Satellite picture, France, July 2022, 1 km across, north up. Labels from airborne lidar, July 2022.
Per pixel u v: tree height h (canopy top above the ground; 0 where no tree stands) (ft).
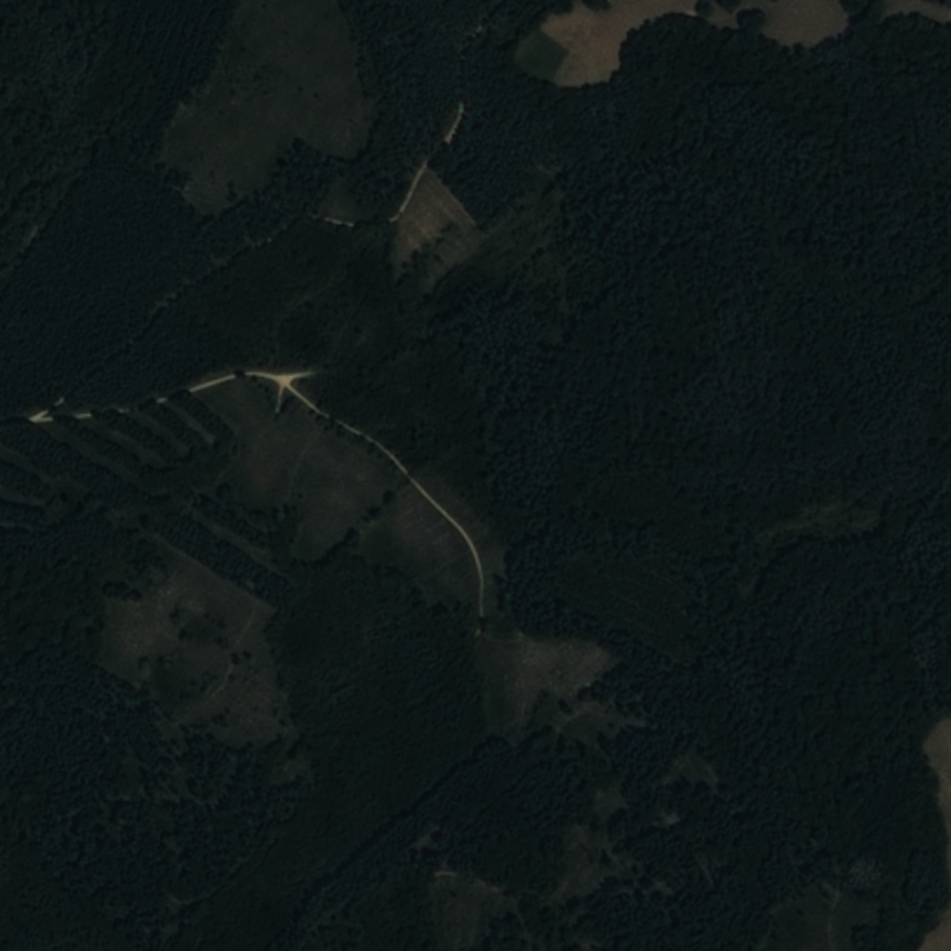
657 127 39
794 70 38
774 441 63
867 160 57
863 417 70
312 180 80
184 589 0
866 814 53
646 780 84
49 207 47
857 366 86
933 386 71
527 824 74
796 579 58
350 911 66
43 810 77
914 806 58
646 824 55
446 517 0
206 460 60
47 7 53
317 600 26
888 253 79
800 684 73
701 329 60
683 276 58
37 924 38
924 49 64
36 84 36
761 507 61
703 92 55
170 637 0
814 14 0
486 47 59
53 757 58
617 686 61
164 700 0
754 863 55
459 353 50
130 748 69
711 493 62
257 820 70
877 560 60
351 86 0
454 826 76
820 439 58
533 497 65
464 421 26
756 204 61
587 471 61
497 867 65
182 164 0
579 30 0
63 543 64
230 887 30
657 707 77
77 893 57
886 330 76
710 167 66
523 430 49
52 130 60
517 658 0
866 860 88
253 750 42
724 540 22
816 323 54
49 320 51
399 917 67
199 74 58
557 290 27
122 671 0
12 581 73
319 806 24
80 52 71
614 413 63
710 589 49
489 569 0
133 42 59
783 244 55
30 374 50
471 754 38
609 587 20
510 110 57
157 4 54
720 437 74
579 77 0
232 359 47
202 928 26
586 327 79
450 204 0
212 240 41
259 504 0
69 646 61
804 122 40
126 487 59
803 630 69
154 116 59
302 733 19
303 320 19
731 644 63
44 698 81
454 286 36
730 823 94
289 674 21
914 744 62
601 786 50
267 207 47
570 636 65
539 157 54
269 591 73
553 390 64
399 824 80
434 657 50
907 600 31
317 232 41
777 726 67
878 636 58
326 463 0
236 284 58
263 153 0
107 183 53
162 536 57
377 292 24
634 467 54
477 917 0
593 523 61
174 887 61
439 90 57
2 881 45
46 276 52
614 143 77
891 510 68
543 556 59
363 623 25
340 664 21
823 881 86
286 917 37
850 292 61
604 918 92
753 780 70
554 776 85
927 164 73
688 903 85
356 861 69
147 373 70
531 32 34
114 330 46
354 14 77
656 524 53
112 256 56
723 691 74
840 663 73
